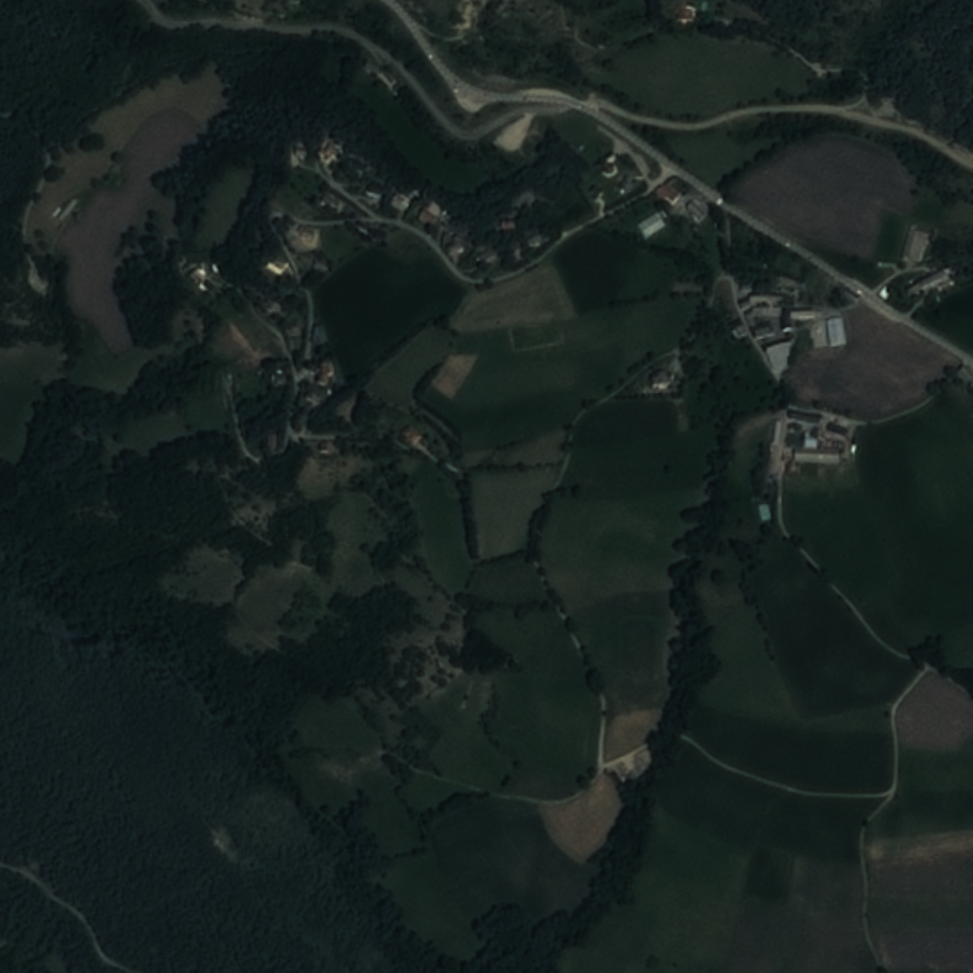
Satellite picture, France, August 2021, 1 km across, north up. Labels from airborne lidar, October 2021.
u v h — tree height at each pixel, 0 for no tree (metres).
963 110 6
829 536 0
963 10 10
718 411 10
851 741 0
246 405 8
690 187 7
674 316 0
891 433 0
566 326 0
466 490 14
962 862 0
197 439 9
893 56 11
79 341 10
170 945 11
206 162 15
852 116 0
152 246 12
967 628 0
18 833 11
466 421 0
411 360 0
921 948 0
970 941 0
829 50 8
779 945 0
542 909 0
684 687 23
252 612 0
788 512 0
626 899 16
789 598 0
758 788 0
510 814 0
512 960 23
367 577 0
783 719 0
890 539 0
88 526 9
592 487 0
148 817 9
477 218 11
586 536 0
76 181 0
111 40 8
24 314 6
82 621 8
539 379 0
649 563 0
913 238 0
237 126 17
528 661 0
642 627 0
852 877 0
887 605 0
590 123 0
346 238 0
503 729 0
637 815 25
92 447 12
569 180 9
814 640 0
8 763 11
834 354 0
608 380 0
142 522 11
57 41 12
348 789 0
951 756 0
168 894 12
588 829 0
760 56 0
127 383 0
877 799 0
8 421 0
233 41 12
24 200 14
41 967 7
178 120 0
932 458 0
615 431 0
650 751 10
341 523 0
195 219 6
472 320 0
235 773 6
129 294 15
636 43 9
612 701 0
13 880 11
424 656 6
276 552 11
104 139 8
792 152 0
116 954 9
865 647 0
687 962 0
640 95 0
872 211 0
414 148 0
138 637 7
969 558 0
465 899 0
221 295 6
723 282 0
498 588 0
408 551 7
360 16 8
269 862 8
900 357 0
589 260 0
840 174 0
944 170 10
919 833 0
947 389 13
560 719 0
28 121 12
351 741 0
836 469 0
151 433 0
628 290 0
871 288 0
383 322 0
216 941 12
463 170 0
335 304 0
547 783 0
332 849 11
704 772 0
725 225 13
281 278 9
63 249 0
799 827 0
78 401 14
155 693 12
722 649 0
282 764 24
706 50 0
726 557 11
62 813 11
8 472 15
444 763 0
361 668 9
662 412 0
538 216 9
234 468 8
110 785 10
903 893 0
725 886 0
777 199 0
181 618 14
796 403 10
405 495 7
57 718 7
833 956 0
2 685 10
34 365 0
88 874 11
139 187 0
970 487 0
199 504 8
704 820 0
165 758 15
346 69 14
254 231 11
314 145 9
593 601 0
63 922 10
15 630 10
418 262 0
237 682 16
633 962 0
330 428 10
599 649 0
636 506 0
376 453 13
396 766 7
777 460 0
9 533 14
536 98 0
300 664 12
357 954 9
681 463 0
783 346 0
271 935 11
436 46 7
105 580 10
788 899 0
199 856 7
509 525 0
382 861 15
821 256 0
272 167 8
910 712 0
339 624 6
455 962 11
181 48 12
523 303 0
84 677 11
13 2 8
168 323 13
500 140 0
